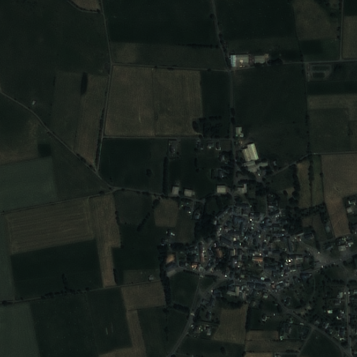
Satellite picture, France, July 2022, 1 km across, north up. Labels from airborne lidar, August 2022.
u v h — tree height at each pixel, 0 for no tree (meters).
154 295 0
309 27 0
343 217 0
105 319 0
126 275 0
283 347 0
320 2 6
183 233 0
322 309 7
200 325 0
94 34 0
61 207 0
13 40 0
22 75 0
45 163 0
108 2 0
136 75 0
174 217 0
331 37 0
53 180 0
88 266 0
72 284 0
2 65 0
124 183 0
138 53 0
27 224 0
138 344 0
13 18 0
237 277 7
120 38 0
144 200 0
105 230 0
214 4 0
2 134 0
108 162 0
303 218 9
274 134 0
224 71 0
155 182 0
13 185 0
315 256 0
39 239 0
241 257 0
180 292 0
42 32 0
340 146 0
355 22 0
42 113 0
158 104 0
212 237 10
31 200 0
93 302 0
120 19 0
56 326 0
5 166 0
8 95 0
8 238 0
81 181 0
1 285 0
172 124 0
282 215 0
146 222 11
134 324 0
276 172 0
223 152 8
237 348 0
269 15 0
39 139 0
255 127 0
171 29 0
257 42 0
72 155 0
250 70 0
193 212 7
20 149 0
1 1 0
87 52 0
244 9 0
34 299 0
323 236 0
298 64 0
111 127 0
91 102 0
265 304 0
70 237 0
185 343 0
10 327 0
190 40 0
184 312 9
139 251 0
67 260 0
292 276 0
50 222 0
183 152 0
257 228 0
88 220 0
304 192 0
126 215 0
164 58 0
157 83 0
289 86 0
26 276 0
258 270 0
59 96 0
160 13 0
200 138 10
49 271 0
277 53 0
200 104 0
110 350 0
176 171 0
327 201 0
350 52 0
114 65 0
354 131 0
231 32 0
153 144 0
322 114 0
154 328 0
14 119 0
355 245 0
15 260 0
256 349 0
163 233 0
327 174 0
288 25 0
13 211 0
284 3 0
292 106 0
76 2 0
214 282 7
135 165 0
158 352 0
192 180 0
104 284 0
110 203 0
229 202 0
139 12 0
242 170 10
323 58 0
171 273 0
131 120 0
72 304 0
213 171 7
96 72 0
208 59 0
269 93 0
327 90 0
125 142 0
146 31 0
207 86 0
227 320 0
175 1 0
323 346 0
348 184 0
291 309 0
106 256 0
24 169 0
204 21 0
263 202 0
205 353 0
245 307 0
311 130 0
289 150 0
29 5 0
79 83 0
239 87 0
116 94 0
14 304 0
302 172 0
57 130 0
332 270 0
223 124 0
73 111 0
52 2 0
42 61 0
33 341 0
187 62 0
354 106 0
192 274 6
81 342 0
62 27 0
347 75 0
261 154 0
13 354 0
